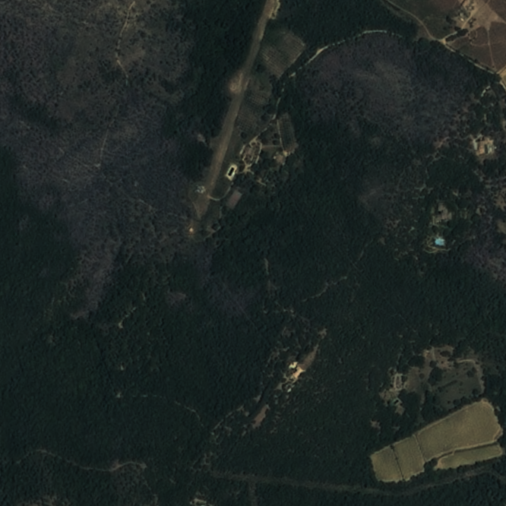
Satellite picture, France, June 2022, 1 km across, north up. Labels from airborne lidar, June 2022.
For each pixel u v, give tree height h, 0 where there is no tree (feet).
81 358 20
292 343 34
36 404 29
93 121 24
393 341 30
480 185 33
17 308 22
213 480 23
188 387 23
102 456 22
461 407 30
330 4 22
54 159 30
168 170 31
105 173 37
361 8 28
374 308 27
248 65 0
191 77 37
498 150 26
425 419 29
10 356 28
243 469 26
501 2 0
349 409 39
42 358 28
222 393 27
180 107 41
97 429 25
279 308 29
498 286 59
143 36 35
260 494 29
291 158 34
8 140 20
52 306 26
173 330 25
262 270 27
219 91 32
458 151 33
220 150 0
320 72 44
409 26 38
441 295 18
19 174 18
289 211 30
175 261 30
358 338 39
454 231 37
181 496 29
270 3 0
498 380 52
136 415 24
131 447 26
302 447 31
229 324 31
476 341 23
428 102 34
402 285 33
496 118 35
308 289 22
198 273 18
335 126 19
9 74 42
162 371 30
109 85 22
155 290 32
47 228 22
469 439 0
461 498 20
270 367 29
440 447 0
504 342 31
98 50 28
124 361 33
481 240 50
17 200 23
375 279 35
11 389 28
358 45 29
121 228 49
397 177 23
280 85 35
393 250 35
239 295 38
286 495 28
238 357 31
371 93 21
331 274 20
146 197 29
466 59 35
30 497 18
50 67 21
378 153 28
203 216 0
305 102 32
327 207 22
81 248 18
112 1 0
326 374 27
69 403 28
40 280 21
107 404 41
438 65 20
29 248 24
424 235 28
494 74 25
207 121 35
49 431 20
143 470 26
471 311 45
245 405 24
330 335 22
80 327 34
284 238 34
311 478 31
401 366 44
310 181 23
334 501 27
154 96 35
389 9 28
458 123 24
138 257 34
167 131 36
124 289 33
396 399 0
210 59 38
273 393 23
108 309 31
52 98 59
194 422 28
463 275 31
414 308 32
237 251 25
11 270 30
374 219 22
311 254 24
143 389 32
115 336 24
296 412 28
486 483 34
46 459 23
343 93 30
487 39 0
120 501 24
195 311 26
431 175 23
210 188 0
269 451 31
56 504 18
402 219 21
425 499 34
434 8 0
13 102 21
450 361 35
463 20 0
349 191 24
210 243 37
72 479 26
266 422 28
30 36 53
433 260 41
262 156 43
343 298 21
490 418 0
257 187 48
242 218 44
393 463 0
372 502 26
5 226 20
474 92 23
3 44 58
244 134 29
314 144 44
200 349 43
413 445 0
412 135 21
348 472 28
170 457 34
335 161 25
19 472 19
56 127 28
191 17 49
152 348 23
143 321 27
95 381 36
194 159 54
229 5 47
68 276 33
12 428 22
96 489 28
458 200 38
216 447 26
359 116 21
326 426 34
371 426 37
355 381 34
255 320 32
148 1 22
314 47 30
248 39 26
